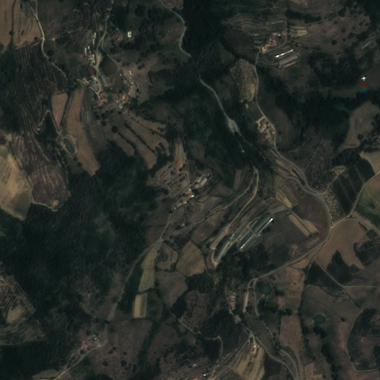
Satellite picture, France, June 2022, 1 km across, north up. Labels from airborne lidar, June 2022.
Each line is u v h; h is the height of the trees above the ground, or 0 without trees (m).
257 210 0
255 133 10
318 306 0
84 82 0
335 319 0
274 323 0
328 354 24
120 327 0
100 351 0
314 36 0
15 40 0
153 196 11
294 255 0
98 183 14
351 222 0
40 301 13
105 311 0
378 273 0
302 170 0
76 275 9
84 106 0
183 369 0
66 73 9
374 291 0
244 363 0
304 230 0
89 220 7
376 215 0
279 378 0
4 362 13
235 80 6
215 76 12
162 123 8
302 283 0
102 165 6
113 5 7
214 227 0
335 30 0
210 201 0
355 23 0
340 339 0
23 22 0
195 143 0
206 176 0
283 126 0
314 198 0
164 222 0
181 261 0
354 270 0
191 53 13
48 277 11
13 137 0
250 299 0
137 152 11
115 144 14
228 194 0
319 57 7
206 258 10
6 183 0
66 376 0
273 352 0
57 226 10
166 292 0
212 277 0
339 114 7
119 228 14
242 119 12
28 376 8
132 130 8
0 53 0
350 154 17
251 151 15
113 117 0
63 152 12
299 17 12
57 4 0
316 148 7
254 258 13
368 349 0
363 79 0
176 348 7
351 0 12
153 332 8
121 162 9
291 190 0
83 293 0
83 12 10
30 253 13
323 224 0
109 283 13
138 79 0
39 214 11
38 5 0
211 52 17
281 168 0
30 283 12
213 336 9
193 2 19
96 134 0
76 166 0
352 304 0
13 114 8
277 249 0
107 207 6
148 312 0
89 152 0
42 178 0
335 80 19
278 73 0
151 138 0
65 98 0
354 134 0
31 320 6
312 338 0
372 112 0
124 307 6
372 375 0
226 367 0
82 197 6
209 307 10
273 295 0
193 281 6
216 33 26
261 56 12
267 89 6
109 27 8
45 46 0
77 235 6
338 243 0
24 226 9
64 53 0
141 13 27
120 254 9
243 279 8
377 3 14
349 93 0
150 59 0
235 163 6
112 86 0
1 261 8
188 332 8
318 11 0
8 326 6
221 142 7
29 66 7
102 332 0
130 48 24
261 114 0
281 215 0
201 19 17
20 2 0
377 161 0
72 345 8
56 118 0
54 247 9
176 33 0
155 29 16
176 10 12
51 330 12
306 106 20
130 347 0
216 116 7
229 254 6
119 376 0
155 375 9
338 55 7
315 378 0
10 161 0
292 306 0
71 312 8
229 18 7
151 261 0
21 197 0
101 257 12
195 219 0
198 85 10
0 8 0
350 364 0
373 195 0
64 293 6
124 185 0
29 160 0
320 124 11
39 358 7
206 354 10
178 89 12
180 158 0
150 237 0
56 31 0
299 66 0
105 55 9
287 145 0
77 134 0
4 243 7
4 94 15
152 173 10
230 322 8
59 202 0
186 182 0
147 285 0
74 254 11
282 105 9
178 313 7
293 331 0
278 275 0
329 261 0
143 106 11
